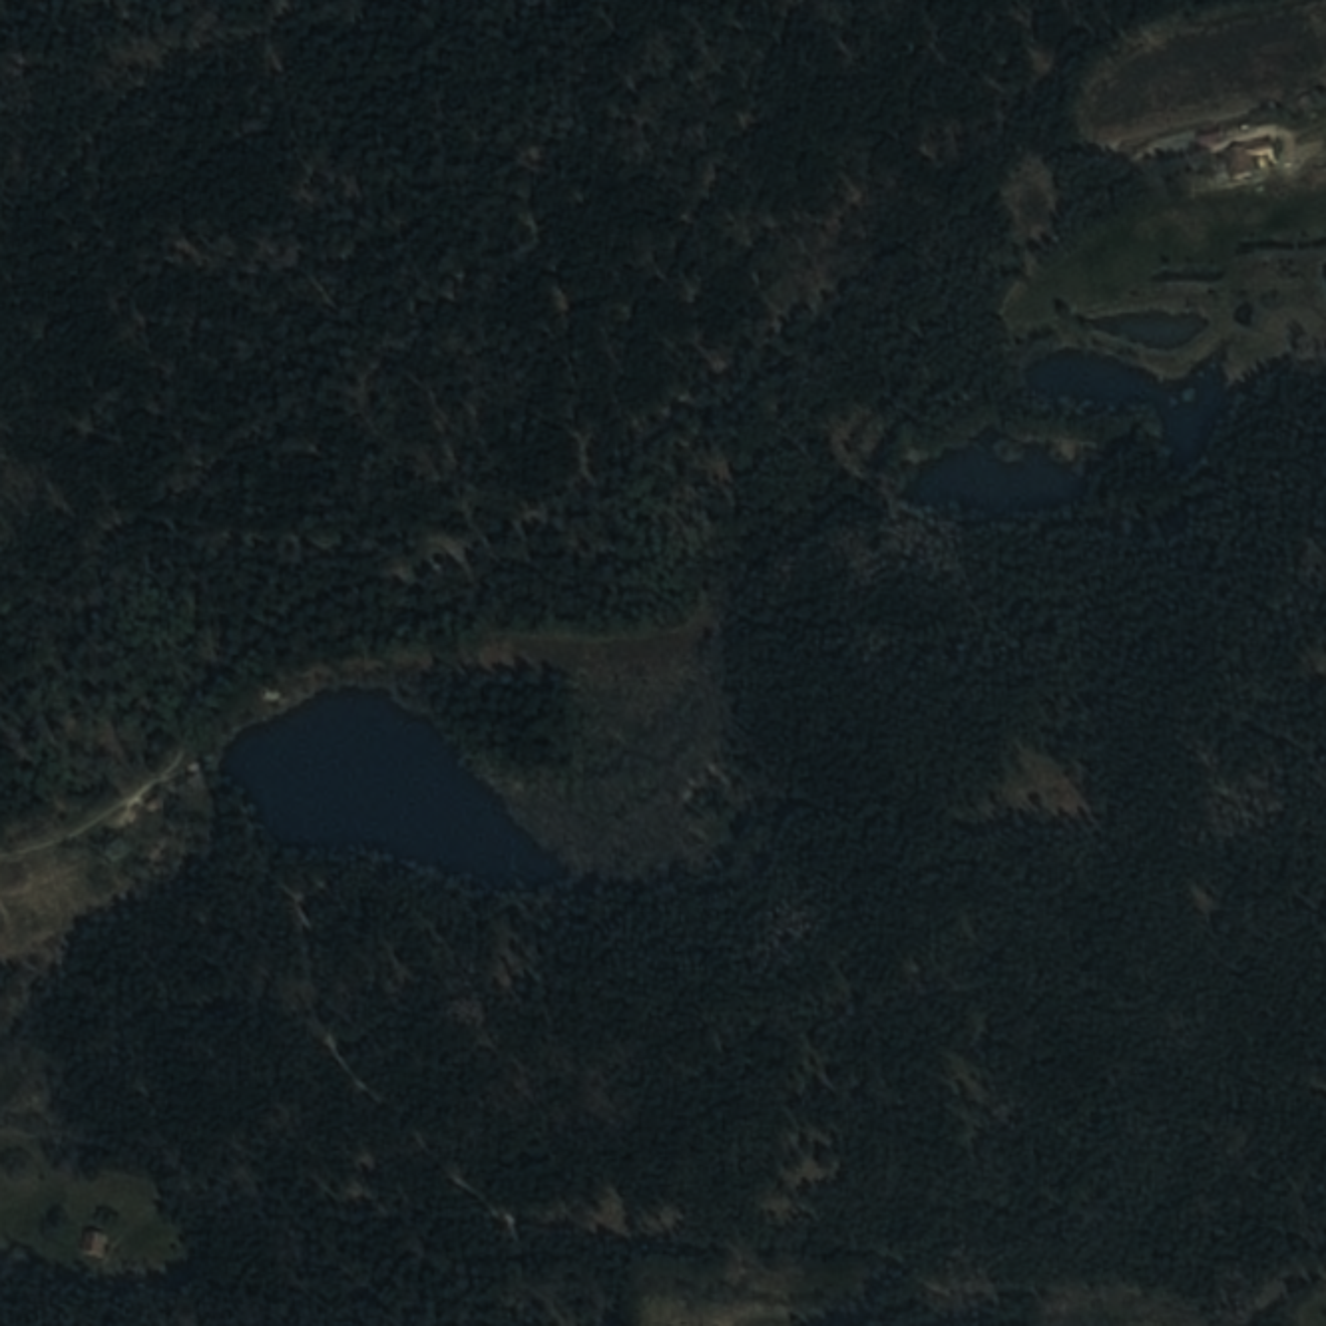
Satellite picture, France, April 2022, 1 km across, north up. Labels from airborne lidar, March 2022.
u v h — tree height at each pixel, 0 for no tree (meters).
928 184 13
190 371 14
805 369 9
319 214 14
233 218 11
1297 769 25
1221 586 26
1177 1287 27
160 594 25
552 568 21
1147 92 0
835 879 25
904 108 21
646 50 20
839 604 24
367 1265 26
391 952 19
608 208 17
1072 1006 28
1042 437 13
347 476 18
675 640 0
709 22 20
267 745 0
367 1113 23
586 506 21
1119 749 25
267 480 13
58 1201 0
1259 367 0
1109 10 17
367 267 19
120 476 23
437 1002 12
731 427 19
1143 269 0
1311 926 26
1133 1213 26
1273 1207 28
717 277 18
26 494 21
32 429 26
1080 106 28
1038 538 22
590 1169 23
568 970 23
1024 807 0
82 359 19
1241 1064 26
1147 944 23
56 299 21
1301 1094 22
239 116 13
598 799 18
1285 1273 25
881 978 27
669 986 32
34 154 16
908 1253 29
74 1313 31
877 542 25
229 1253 19
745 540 24
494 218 18
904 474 21
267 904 23
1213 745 23
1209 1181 26
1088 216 27
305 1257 21
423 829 0
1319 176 0
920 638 29
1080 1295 15
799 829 30
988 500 0
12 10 13
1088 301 0
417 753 0
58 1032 26
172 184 12
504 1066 26
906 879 26
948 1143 26
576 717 19
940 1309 17
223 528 18
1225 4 23
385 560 25
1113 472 24
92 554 20
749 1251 20
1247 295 8
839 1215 25
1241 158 0
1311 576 26
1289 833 25
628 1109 25
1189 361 0
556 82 22
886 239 17
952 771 24
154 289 20
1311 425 21
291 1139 24
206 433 18
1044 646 31
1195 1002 23
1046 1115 25
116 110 8
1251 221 0
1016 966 26
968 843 26
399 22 12
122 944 28
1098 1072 23
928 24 15
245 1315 24
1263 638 21
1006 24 16
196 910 25
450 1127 22
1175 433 0
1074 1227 20
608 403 15
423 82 22
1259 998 21
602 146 18
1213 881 25
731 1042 21
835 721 25
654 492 32
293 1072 23
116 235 19
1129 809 23
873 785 29
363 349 18
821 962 28
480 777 10
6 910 0
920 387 31
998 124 11
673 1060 23
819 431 20
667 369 22
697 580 32
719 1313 0
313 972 21
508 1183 22
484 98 20
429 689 18
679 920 30
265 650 19
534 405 12
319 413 17
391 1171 24
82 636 25
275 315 7
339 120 18
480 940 31
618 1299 23
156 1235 0
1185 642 23
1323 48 0
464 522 16
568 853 12
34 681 19
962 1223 26
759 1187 27
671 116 18
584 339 20
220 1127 25
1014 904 24
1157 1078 22
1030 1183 25
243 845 27
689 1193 23
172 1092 25
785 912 28
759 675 21
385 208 19
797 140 18
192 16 15
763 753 24
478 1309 15
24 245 19
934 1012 28
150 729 16
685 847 17
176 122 17
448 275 31
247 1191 18
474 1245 29
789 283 22
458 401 19
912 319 25
